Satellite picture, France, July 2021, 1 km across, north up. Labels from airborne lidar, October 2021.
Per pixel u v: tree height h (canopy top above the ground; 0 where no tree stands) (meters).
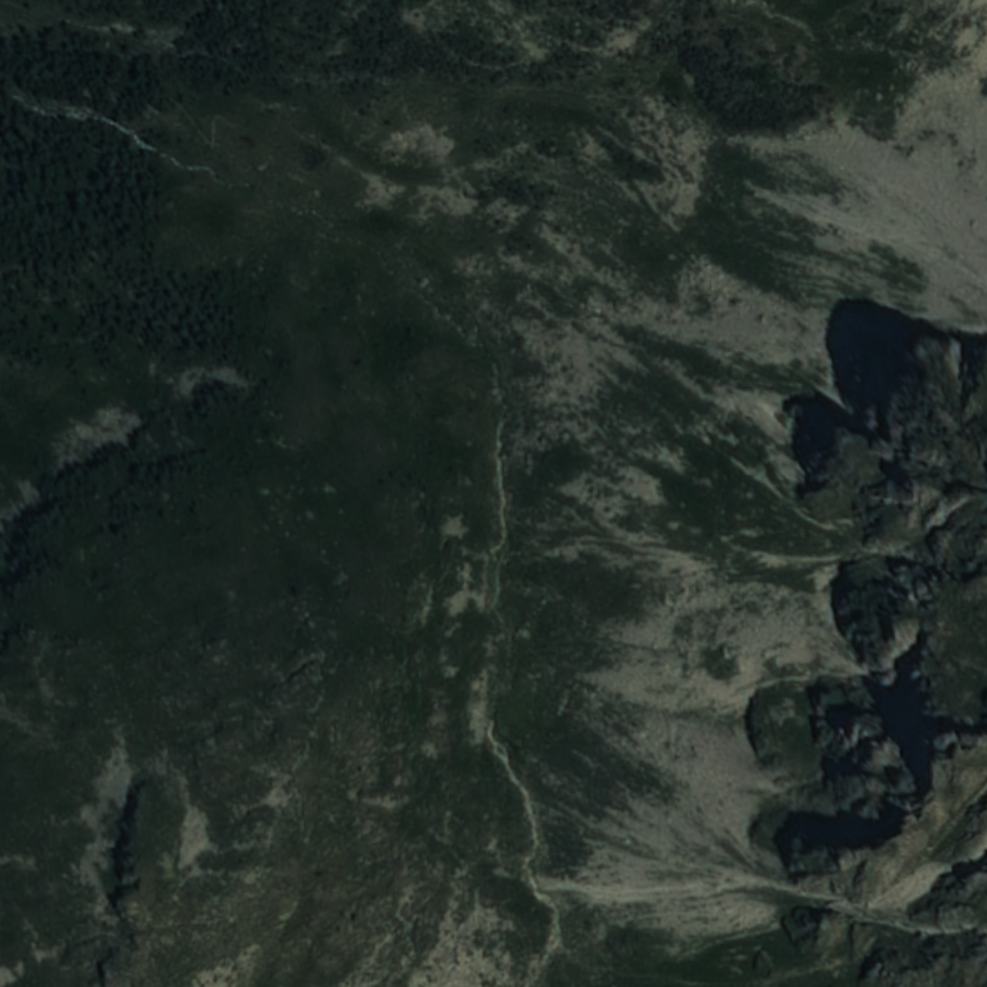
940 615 0
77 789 0
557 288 0
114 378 0
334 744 0
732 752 0
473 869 0
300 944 0
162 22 6
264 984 0
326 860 0
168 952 0
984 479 0
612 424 0
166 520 8
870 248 0
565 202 0
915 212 0
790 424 0
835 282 0
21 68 13
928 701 0
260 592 0
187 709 0
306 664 0
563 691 0
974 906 0
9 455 0
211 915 0
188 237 0
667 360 0
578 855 0
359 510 0
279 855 0
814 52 0
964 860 0
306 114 0
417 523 0
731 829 0
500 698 0
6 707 0
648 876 0
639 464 0
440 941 0
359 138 0
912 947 0
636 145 0
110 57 11
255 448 0
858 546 0
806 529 0
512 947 0
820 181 0
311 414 0
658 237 0
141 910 0
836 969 0
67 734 0
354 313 0
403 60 8
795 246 0
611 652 0
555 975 0
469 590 0
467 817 0
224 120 0
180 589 0
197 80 7
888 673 0
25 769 0
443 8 0
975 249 0
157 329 20
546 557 0
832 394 0
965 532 0
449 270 0
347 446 0
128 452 18
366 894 0
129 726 0
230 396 8
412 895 0
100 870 0
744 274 0
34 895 0
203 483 0
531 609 0
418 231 0
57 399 0
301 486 0
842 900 0
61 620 0
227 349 12
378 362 0
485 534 0
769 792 0
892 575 0
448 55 8
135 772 0
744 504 0
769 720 0
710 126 0
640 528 0
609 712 0
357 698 0
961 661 0
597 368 0
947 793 0
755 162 0
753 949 0
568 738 0
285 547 0
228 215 0
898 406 0
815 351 0
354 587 0
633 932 0
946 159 0
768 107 6
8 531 6
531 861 0
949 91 0
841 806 0
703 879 0
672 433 0
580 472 0
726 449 0
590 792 0
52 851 0
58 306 9
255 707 0
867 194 0
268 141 0
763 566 0
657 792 0
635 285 0
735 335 0
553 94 0
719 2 0
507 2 0
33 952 0
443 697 0
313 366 0
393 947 0
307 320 0
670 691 0
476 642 0
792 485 0
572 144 0
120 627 0
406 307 0
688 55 10
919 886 0
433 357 0
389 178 0
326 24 7
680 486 0
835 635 0
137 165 10
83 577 0
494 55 7
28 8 9
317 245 0
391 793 0
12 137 12
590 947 0
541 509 0
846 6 0
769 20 0
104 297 15
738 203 0
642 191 0
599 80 0
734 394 0
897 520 0
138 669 0
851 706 0
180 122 0
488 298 0
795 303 0
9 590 6
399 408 0
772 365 0
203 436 0
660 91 0
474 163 0
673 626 0
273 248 0
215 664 0
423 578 0
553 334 0
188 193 0
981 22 0
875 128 0
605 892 0
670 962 0
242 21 15
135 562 0
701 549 0
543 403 0
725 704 0
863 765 0
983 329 0
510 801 0
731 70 9
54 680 0
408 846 0
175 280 11
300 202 0
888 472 0
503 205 0
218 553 0
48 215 18
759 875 0
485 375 0
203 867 0
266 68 9
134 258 0
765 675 0
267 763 0
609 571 0
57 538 0
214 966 0
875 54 0
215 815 0
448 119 0
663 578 0
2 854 0
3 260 7
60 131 21
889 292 0
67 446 0
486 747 0
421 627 0
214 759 0
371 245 0
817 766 0
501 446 0
